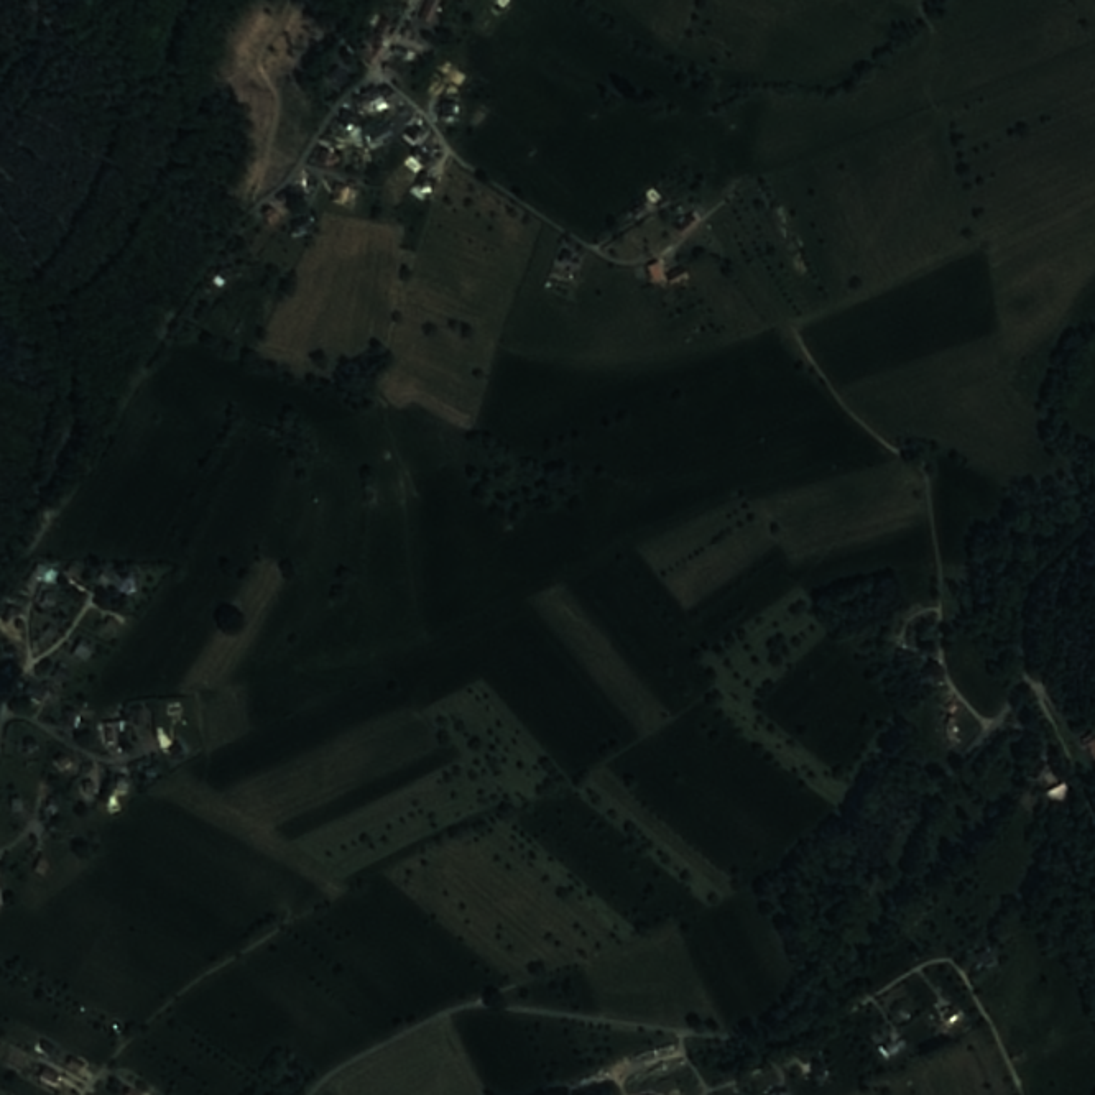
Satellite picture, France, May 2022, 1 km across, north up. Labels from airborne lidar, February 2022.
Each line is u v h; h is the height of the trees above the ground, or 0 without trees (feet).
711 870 0
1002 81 0
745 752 0
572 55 0
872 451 0
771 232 0
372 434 0
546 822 0
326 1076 0
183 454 0
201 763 0
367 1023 0
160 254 61
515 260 0
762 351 0
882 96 0
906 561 0
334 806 0
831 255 0
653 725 0
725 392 0
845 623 73
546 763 26
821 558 0
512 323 0
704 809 0
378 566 0
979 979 54
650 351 0
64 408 68
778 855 0
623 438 0
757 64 0
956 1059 0
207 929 0
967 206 0
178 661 0
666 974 0
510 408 0
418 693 0
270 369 31
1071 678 67
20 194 69
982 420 0
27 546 24
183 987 0
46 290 70
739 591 0
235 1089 0
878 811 79
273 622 0
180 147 87
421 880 0
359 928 0
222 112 101
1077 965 84
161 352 49
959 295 0
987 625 95
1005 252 0
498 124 0
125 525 0
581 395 0
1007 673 80
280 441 29
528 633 0
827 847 93
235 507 0
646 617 0
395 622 0
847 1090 0
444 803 0
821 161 0
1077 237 0
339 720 0
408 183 0
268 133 0
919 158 0
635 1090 0
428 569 0
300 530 0
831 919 87
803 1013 75
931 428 0
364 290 0
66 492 61
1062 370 41
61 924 0
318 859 0
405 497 0
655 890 27
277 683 0
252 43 0
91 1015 0
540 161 0
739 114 0
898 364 0
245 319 0
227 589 0
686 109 0
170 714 0
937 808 78
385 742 0
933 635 37
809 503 0
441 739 21
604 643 0
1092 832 92
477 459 0
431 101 0
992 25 0
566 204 0
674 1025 0
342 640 0
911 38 46
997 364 0
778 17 0
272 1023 0
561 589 0
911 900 77
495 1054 0
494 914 0
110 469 0
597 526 0
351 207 0
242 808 0
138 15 90
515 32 0
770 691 22
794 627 0
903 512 0
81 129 66
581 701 0
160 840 0
